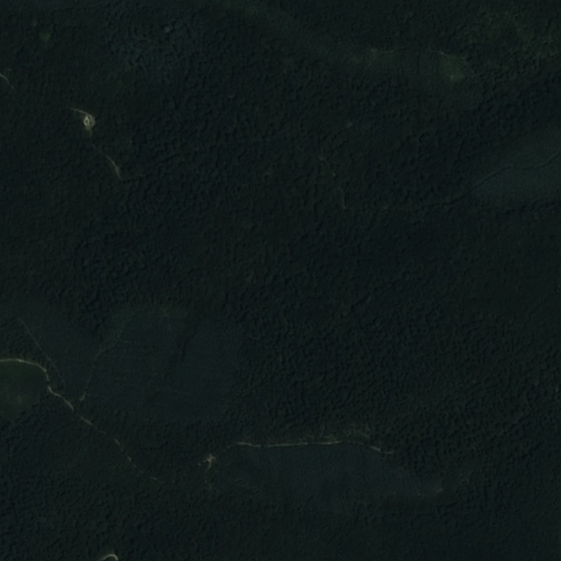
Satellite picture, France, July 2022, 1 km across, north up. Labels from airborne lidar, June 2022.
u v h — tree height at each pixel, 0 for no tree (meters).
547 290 8
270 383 13
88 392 8
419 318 11
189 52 31
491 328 21
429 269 16
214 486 7
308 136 12
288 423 14
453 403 18
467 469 8
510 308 10
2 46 14
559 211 19
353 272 21
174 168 17
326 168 13
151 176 21
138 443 9
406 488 15
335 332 20
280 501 9
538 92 22
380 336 18
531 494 17
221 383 11
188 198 18
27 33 15
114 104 17
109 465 9
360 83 17
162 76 27
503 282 8
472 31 18
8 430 19
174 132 21
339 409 16
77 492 16
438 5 11
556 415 22
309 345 18
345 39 17
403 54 12
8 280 16
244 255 14
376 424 11
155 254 17
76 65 13
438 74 12
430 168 25
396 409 11
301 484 13
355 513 12
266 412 14
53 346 6
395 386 19
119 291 15
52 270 15
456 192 20
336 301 22
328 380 19
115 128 14
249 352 18
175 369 16
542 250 9
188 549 16
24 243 25
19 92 12
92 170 18
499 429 21
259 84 23
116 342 8
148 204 15
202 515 16
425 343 7
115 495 21
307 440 6
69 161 15
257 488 8
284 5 19
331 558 14
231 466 9
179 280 17
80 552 18
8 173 19
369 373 19
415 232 19
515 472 21
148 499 17
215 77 21
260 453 10
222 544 17
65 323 10
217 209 14
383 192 21
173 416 14
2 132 21
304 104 23
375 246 21
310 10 16
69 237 24
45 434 15
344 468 10
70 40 17
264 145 11
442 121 22
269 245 21
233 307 16
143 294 13
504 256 7
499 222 13
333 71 13
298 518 7
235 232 24
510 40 22
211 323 14
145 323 10
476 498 23
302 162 9
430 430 20
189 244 15
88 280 20
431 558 20
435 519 21
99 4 11
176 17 21
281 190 20
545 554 19
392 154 22
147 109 21
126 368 9
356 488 11
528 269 14
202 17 22
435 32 16
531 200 14
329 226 21
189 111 22
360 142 15
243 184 11
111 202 18
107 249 21
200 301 16
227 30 20
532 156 14
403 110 14
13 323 12
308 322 16
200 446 14
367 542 17
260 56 19
